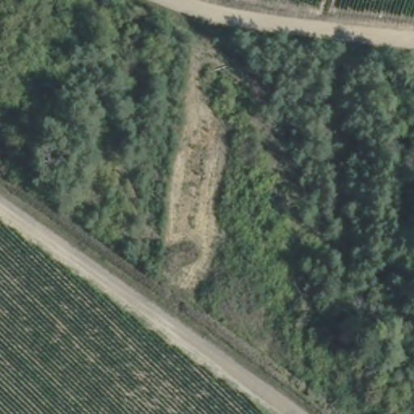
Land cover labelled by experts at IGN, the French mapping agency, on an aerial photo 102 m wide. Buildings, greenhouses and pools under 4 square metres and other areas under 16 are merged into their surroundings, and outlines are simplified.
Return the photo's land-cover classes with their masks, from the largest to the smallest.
<instances>
[{"label":"coniferous trees","instance_id":"1","mask_svg":"<svg viewBox=\"0 0 414 414\"><path fill-rule=\"evenodd\" d=\"M0 196L26 212L40 225L61 236L71 246L84 252L89 259L95 260L112 275L125 281L126 285L136 289L144 298L155 302L171 317L191 328L192 332L215 344L223 353L233 357L239 365H243L244 369L262 378L309 414H414V49L374 45L364 37H353L344 45L343 42H333L328 36L315 37L302 31H260L257 27L244 24L241 19L233 16L228 18L225 24L210 23L199 16L168 10L165 6L147 0H0Z\"/></svg>","mask_w":414,"mask_h":414},{"label":"vineyard","instance_id":"2","mask_svg":"<svg viewBox=\"0 0 414 414\"><path fill-rule=\"evenodd\" d=\"M239 10L310 21L357 19L414 26V0H204ZM0 414H268L251 401L246 393L234 390L225 378L213 375L209 367L192 361L180 348L168 344L160 333L147 328L144 320L137 319L136 315L128 310L121 309L120 304H116L108 294L95 288L91 281L71 272L70 267L53 259L49 252L27 241L15 228L6 226L0 220Z\"/></svg>","mask_w":414,"mask_h":414},{"label":"impervious surface","instance_id":"3","mask_svg":"<svg viewBox=\"0 0 414 414\"><path fill-rule=\"evenodd\" d=\"M165 6L168 10L199 16L210 23L225 24L228 18L233 16L241 19L244 24L257 27L260 31H302L315 37L328 36L333 42H343L344 45L353 37H364L374 45L414 49V26L357 19L310 21L239 10L204 0H147ZM0 220L6 226L15 228L27 241L49 252L53 259L70 267L71 272L91 281L95 288L108 294L116 304H120L121 309L128 310L136 315L137 319L144 320L147 328L160 333L168 344L180 348L192 361L209 367L213 375L225 378L234 390L246 393L251 401L268 414H309L262 378L244 369L243 365H239L233 357L223 353L215 344L192 332L191 328L171 317L155 302L144 298L136 289L126 285L125 281L112 275L95 260L89 259L84 252L71 246L61 236L40 225L26 212L0 196Z\"/></svg>","mask_w":414,"mask_h":414}]
</instances>
